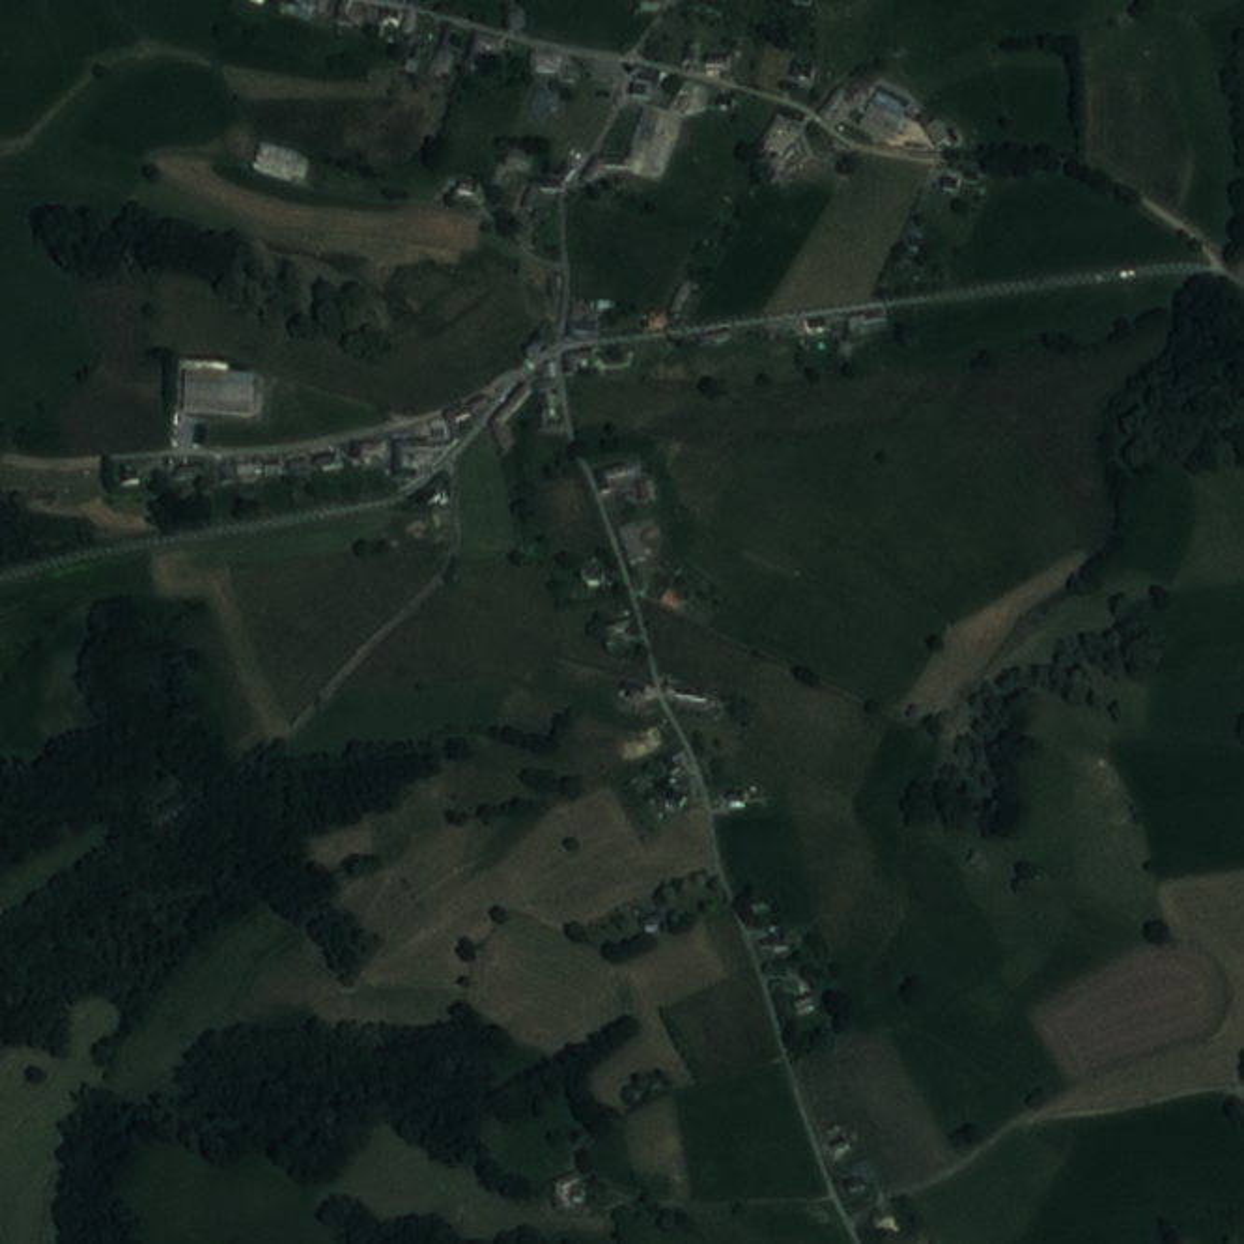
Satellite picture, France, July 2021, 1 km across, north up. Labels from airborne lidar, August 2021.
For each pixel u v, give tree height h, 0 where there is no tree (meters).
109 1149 23
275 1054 19
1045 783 0
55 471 0
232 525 0
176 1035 0
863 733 0
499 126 0
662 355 0
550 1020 0
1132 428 17
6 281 0
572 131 0
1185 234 10
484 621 0
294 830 23
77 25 0
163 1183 0
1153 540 0
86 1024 0
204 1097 27
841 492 0
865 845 0
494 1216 0
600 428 0
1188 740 0
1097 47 0
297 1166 13
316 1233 0
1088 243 0
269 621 0
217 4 0
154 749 11
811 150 0
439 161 15
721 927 0
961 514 0
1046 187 0
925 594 0
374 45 0
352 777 16
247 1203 0
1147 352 0
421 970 0
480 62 14
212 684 0
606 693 0
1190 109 0
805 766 0
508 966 0
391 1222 7
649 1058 0
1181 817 0
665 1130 0
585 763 0
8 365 0
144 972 26
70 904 20
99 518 0
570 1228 0
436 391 0
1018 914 0
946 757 0
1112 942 0
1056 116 0
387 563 0
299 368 0
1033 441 0
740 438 0
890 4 0
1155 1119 0
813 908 0
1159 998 0
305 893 20
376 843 0
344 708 0
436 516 0
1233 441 19
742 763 0
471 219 0
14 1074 0
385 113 0
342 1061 28
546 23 0
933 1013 0
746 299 0
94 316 0
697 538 0
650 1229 0
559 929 0
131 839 14
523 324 0
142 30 0
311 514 0
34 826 8
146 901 10
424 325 0
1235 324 23
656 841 0
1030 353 0
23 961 23
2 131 0
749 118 0
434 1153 21
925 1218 0
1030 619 0
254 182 0
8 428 17
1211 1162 0
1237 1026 0
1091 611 0
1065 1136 0
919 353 0
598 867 0
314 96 0
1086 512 0
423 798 0
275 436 0
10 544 25
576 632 0
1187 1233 0
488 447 0
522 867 0
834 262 0
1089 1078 0
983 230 0
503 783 0
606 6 0
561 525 0
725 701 6
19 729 0
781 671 0
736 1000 0
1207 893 0
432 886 0
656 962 0
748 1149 0
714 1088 0
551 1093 19
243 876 28
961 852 0
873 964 0
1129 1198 0
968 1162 0
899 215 0
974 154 8
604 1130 18
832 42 0
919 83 0
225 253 15
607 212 0
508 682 0
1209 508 0
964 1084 0
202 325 0
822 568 0
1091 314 0
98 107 0
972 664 0
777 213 0
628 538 0
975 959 0
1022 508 0
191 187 0
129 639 10
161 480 9
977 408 0
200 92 0
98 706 19
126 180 0
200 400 0
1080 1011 0
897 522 0
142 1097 0
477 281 0
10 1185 0
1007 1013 0
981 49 0
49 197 0
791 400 0
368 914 0
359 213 0
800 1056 7
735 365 0
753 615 0
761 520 0
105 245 32
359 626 0
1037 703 9
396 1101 21
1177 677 0
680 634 0
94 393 0
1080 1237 0
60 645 0
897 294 7
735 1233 0
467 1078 20
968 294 0
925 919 0
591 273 0
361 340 16
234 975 0
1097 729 0
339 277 0
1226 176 0
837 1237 0
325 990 0
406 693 0
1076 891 0
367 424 0
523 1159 0
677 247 0
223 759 8
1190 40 0
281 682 0
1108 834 0
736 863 0
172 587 0
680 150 0
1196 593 0
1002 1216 0
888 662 0
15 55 0
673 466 0
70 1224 21
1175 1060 0
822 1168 0
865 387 0
